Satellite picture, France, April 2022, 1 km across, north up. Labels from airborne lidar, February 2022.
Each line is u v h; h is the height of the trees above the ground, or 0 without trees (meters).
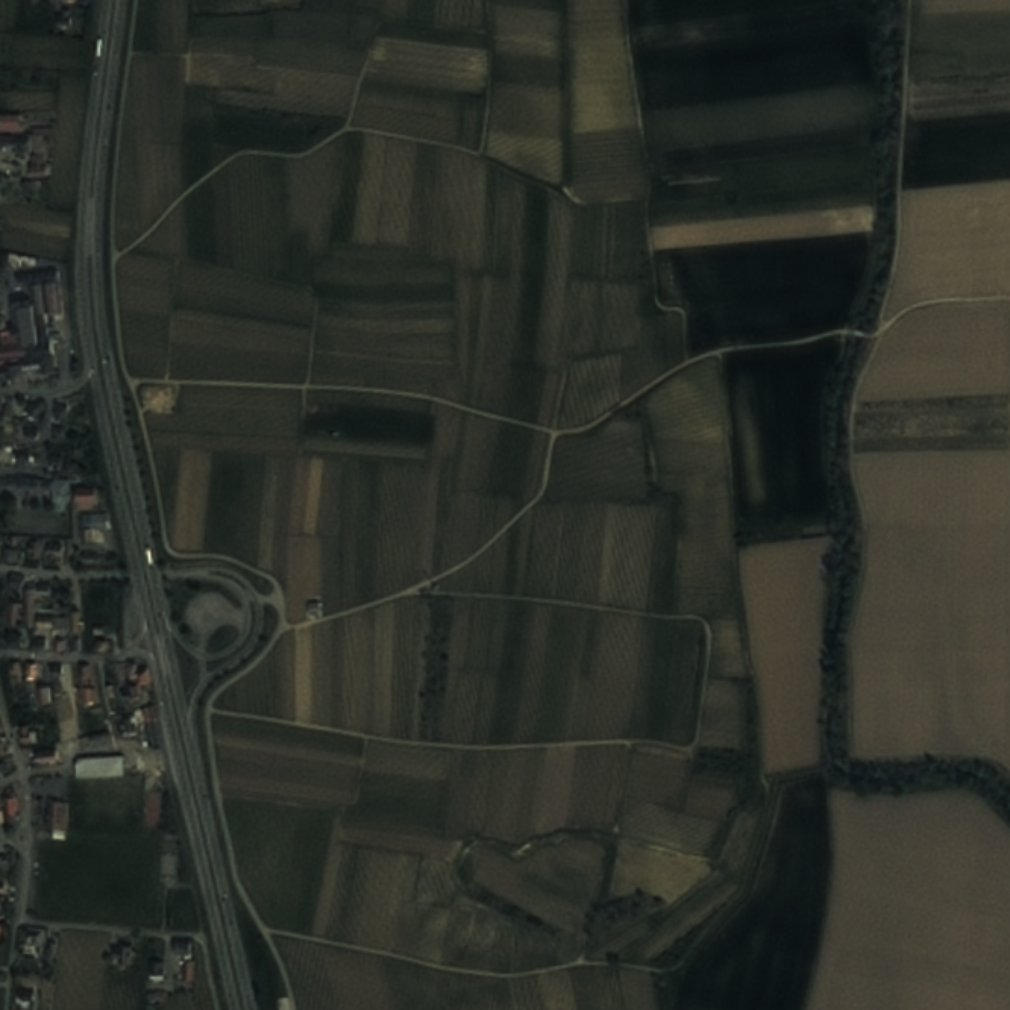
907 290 0
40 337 0
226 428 0
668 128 0
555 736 0
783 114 0
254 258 0
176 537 0
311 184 0
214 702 0
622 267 0
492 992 0
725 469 0
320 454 0
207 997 0
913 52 0
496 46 0
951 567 0
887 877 0
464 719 0
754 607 0
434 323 0
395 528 0
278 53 0
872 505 0
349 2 0
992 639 0
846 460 16
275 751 0
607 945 0
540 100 0
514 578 0
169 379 0
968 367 0
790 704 0
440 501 0
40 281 0
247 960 0
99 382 0
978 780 7
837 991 0
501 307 0
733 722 0
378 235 0
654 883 0
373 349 0
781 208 0
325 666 0
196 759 0
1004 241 0
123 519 0
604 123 0
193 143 0
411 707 0
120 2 0
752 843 0
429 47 0
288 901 0
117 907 0
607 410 0
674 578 0
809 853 0
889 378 0
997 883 0
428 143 0
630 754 0
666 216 0
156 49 0
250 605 0
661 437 0
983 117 0
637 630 0
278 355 0
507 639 0
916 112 0
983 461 0
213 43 0
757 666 0
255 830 0
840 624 8
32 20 0
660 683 0
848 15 0
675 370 0
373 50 0
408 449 0
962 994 0
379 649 0
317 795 0
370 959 0
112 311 0
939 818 0
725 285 0
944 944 0
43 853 0
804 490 0
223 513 0
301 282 0
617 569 0
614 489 0
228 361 0
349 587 0
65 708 0
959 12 0
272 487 0
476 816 0
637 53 0
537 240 0
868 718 0
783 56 0
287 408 0
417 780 0
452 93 0
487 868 0
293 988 0
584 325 0
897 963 0
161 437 0
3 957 0
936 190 0
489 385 0
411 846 0
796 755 0
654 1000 0
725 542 0
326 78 0
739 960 0
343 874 0
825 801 0
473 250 0
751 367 0
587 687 0
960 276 0
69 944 0
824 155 0
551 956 0
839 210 0
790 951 0
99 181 0
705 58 0
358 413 0
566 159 0
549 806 0
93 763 0
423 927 0
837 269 0
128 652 0
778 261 0
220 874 0
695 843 0
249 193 0
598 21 0
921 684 0
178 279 0
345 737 0
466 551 0
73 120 0
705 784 0
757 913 0
